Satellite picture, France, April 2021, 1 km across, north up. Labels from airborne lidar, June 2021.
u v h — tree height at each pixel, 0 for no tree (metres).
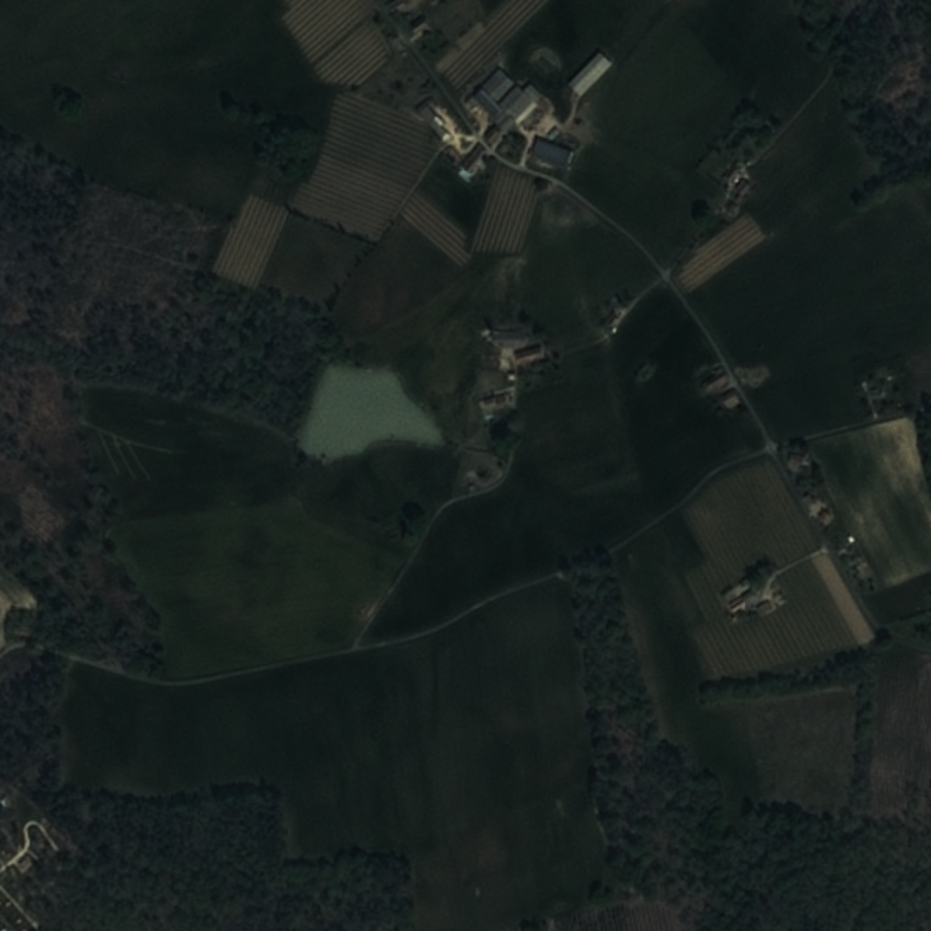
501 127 0
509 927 0
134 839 22
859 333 0
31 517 0
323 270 0
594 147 0
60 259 15
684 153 0
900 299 0
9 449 13
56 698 25
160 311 16
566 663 0
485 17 0
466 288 0
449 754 0
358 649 0
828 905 18
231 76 0
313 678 0
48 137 0
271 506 0
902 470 0
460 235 0
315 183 0
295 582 0
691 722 0
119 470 0
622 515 0
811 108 0
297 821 0
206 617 0
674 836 16
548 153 0
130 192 6
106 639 9
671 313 0
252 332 20
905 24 17
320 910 14
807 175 0
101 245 6
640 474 0
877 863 18
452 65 0
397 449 0
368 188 0
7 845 10
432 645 0
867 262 0
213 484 0
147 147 0
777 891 23
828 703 0
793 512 0
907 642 0
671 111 0
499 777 0
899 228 0
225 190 0
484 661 0
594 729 14
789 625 0
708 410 0
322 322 8
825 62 6
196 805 14
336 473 0
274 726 0
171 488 0
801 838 20
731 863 13
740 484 0
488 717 0
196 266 14
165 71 0
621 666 14
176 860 25
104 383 12
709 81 0
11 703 20
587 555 0
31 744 15
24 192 19
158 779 0
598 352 0
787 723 0
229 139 0
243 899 16
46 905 9
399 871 20
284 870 13
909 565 0
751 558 0
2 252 8
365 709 0
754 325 0
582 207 0
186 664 0
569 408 0
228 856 21
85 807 19
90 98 0
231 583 0
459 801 0
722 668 0
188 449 0
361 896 14
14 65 0
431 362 0
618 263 0
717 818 17
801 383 0
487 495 0
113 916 23
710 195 0
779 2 0
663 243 0
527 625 0
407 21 10
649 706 13
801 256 0
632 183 0
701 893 20
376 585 0
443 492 0
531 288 0
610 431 0
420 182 0
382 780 0
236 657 0
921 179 22
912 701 0
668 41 0
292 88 0
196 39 0
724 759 0
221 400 21
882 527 0
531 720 0
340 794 0
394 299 0
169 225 9
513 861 0
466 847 0
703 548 0
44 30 0
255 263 0
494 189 0
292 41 0
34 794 18
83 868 15
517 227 0
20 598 0
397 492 0
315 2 0
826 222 0
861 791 16
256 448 0
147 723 0
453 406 0
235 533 0
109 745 0
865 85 15
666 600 0
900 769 0
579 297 0
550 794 0
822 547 0
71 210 18
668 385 0
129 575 0
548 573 0
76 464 0
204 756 0
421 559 0
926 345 0
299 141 21
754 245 0
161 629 24
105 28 0
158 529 0
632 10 0
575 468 0
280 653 0
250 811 16
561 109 0
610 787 15
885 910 19
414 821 0
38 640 10
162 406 0
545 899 0
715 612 0
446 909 0
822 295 0
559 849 0
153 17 0
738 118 8
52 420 0
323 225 7
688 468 0
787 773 0
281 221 0
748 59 0
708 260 0
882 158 21
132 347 12
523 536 0
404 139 0
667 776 25
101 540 16
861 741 11
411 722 0
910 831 11
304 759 0
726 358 0
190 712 0
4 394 10
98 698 0
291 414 12
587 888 0
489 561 0
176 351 8
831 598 0
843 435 0
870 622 0
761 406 0
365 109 0
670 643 0
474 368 0
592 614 14
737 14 0
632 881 19
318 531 0
